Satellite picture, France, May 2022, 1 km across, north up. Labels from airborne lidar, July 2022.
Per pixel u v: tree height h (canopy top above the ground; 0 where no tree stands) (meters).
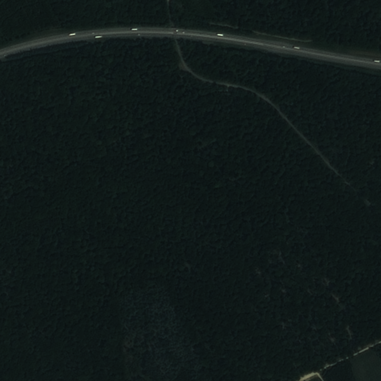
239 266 29
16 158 26
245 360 27
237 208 28
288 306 28
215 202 23
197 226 26
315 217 23
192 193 19
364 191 28
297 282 24
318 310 30
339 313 28
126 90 21
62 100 29
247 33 14
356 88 24
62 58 24
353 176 30
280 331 29
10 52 0
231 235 27
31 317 26
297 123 23
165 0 18
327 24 23
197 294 25
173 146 22
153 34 0
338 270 30
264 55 17
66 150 27
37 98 27
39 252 25
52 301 25
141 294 20
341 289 25
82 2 24
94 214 27
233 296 27
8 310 31
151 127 23
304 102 24
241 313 27
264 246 27
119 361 29
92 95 29
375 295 29
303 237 26
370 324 26
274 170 14
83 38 0
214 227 25
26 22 7
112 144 27
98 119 27
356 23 25
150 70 22
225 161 20
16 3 7
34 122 27
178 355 30
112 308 31
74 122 27
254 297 27
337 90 22
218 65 24
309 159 23
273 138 22
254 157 23
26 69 27
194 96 25
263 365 24
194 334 29
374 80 21
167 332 28
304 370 25
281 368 27
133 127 24
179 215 23
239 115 27
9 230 23
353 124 26
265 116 28
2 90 27
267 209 23
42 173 27
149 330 18
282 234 27
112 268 18
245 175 25
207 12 5
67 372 29
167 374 24
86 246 23
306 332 28
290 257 29
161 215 23
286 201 26
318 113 26
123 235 28
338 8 17
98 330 31
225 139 20
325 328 30
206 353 29
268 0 29
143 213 23
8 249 23
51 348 29
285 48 0
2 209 29
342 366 11
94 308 32
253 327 28
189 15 10
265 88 23
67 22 22
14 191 24
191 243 26
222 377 10
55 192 26
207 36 0
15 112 29
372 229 28
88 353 29
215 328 27
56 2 22
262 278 21
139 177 22
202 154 26
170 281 28
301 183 28
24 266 25
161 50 19
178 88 16
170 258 27
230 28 12
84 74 27
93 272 26
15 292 27
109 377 30
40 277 25
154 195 24
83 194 22
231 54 22
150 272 27
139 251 29
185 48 21
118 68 28
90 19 22
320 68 19
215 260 28
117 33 0
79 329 29
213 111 26
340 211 23
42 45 0
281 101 13
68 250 26
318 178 26
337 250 29
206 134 22
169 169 24
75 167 27
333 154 26
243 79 10
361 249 27
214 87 18
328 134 25
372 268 23
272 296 30
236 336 27
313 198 26
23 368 27
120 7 21
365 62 0
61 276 28
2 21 9
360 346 25
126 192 20
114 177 18
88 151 26
